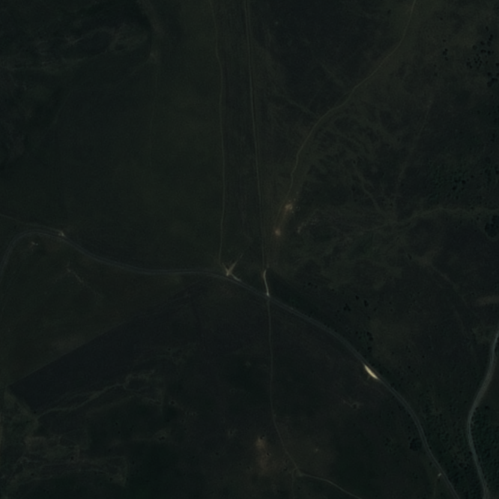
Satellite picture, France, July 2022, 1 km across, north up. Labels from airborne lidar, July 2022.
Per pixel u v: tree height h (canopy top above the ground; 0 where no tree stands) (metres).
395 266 0
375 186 0
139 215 0
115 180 0
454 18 0
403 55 0
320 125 0
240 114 0
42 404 0
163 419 0
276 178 0
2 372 0
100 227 0
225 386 0
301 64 0
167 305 0
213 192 0
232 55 0
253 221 0
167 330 0
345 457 0
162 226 0
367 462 0
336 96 0
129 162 0
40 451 0
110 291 0
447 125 0
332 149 0
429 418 6
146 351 0
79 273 0
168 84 0
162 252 0
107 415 0
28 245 0
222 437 0
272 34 0
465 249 0
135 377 0
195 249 0
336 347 0
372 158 0
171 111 0
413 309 0
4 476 0
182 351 0
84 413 0
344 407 0
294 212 0
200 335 0
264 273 0
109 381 0
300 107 0
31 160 0
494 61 0
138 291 0
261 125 0
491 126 0
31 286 0
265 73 0
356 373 0
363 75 0
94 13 0
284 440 0
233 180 0
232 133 0
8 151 0
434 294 0
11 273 0
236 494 0
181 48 0
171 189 0
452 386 0
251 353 0
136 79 0
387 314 0
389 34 0
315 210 0
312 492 0
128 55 0
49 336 0
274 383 0
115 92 0
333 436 0
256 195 0
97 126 0
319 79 0
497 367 0
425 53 0
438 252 0
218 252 0
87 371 0
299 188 0
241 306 0
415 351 0
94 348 0
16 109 0
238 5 0
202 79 0
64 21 0
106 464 0
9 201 0
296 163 0
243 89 0
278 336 0
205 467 0
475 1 0
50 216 0
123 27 0
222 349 0
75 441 0
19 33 0
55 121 0
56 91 0
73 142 0
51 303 0
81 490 0
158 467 0
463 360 0
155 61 0
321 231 0
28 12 0
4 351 0
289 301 0
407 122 0
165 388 0
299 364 0
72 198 0
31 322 0
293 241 0
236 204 0
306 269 0
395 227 0
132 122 0
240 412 0
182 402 0
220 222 0
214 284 0
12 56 0
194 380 0
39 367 0
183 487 0
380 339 0
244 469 0
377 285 0
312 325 0
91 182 0
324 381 0
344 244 0
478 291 0
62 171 0
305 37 0
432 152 0
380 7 0
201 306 0
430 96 0
